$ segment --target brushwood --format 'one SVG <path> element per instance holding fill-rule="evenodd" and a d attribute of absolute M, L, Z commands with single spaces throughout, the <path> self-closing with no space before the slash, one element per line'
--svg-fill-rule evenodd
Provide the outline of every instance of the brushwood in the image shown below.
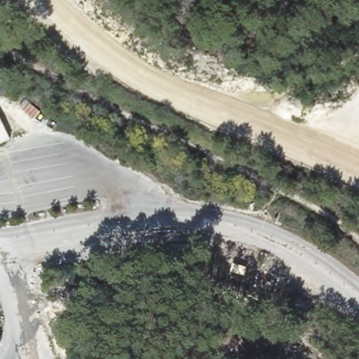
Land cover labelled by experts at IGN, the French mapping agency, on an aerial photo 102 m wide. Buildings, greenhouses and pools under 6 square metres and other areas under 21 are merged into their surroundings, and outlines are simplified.
<path fill-rule="evenodd" d="M 262 177 L 257 170 L 244 165 L 224 167 L 220 164 L 227 147 L 226 143 L 223 143 L 223 137 L 230 137 L 231 133 L 223 132 L 220 128 L 206 128 L 196 119 L 189 118 L 188 115 L 172 108 L 170 102 L 153 100 L 115 80 L 112 74 L 105 73 L 104 70 L 90 73 L 84 81 L 79 77 L 73 77 L 72 72 L 52 77 L 49 74 L 50 70 L 45 70 L 36 70 L 35 74 L 34 84 L 28 88 L 27 95 L 28 104 L 38 109 L 45 121 L 56 123 L 56 132 L 76 136 L 105 157 L 119 160 L 123 167 L 133 168 L 153 177 L 160 184 L 170 185 L 174 192 L 184 198 L 203 201 L 203 206 L 215 205 L 219 209 L 222 209 L 223 205 L 248 209 L 248 206 L 254 203 L 254 210 L 259 210 L 271 198 L 272 191 L 271 185 L 261 185 Z"/>
<path fill-rule="evenodd" d="M 306 226 L 310 230 L 309 241 L 320 250 L 323 245 L 337 247 L 339 241 L 345 240 L 348 241 L 349 248 L 358 251 L 359 254 L 359 234 L 353 231 L 353 224 L 348 220 L 338 220 L 334 210 L 328 206 L 320 210 L 314 212 L 302 203 L 285 196 L 276 198 L 272 205 L 292 206 L 299 215 L 306 216 Z"/>
<path fill-rule="evenodd" d="M 94 335 L 83 323 L 76 324 L 67 318 L 66 332 L 63 334 L 67 344 L 65 349 L 67 359 L 86 359 L 90 342 L 84 341 Z"/>
<path fill-rule="evenodd" d="M 24 223 L 25 212 L 17 209 L 3 210 L 0 213 L 0 227 Z"/>

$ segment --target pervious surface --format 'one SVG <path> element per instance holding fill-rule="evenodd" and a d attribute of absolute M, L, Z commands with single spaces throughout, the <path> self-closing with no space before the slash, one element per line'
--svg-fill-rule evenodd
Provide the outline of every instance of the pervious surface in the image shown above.
<path fill-rule="evenodd" d="M 275 188 L 272 191 L 271 198 L 259 210 L 268 212 L 272 205 L 276 198 L 285 196 L 302 203 L 314 212 L 320 210 L 316 203 L 296 195 L 292 189 Z"/>
<path fill-rule="evenodd" d="M 196 119 L 206 128 L 220 128 L 223 132 L 231 133 L 237 137 L 248 137 L 252 144 L 271 151 L 280 146 L 286 160 L 300 167 L 313 168 L 314 165 L 323 165 L 335 168 L 344 181 L 359 189 L 359 72 L 353 72 L 349 84 L 348 94 L 351 95 L 351 100 L 316 104 L 314 107 L 303 107 L 302 102 L 294 98 L 290 88 L 285 88 L 282 93 L 276 93 L 273 88 L 255 83 L 251 77 L 241 77 L 233 69 L 217 65 L 216 57 L 198 53 L 194 56 L 194 65 L 181 65 L 178 72 L 168 70 L 160 55 L 150 53 L 149 49 L 142 46 L 142 39 L 136 36 L 135 27 L 121 25 L 112 17 L 95 20 L 95 15 L 101 14 L 101 7 L 94 3 L 95 0 L 0 0 L 0 1 L 15 3 L 25 18 L 36 15 L 36 21 L 41 24 L 48 27 L 55 25 L 63 41 L 66 41 L 70 48 L 80 48 L 81 52 L 84 52 L 87 60 L 86 69 L 90 73 L 104 70 L 105 73 L 112 74 L 115 80 L 153 100 L 170 102 L 172 108 L 188 115 L 189 118 Z"/>
<path fill-rule="evenodd" d="M 233 335 L 226 345 L 229 349 L 224 352 L 227 359 L 321 359 L 323 352 L 309 341 L 314 334 L 313 328 L 307 327 L 302 339 L 287 339 L 275 344 L 264 337 L 250 341 Z"/>
<path fill-rule="evenodd" d="M 303 280 L 292 275 L 289 266 L 273 252 L 264 248 L 244 248 L 229 240 L 222 240 L 220 247 L 213 244 L 210 247 L 216 261 L 220 262 L 217 265 L 217 276 L 227 275 L 224 285 L 233 286 L 237 292 L 238 289 L 244 290 L 255 300 L 258 297 L 276 302 L 279 299 L 293 300 L 297 303 L 297 309 L 304 314 L 314 311 L 314 307 L 311 302 L 313 294 L 310 290 L 304 289 Z M 233 259 L 234 264 L 244 266 L 243 275 L 230 272 L 230 265 L 227 262 L 229 258 Z"/>
<path fill-rule="evenodd" d="M 10 49 L 0 59 L 0 67 L 18 72 L 21 76 L 35 74 L 36 70 L 45 70 L 45 66 L 36 63 L 36 57 L 29 53 L 27 43 L 24 42 L 21 42 L 21 49 Z"/>

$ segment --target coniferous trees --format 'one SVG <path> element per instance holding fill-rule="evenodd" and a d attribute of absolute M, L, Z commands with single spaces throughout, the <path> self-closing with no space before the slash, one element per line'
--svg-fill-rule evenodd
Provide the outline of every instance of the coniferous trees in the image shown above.
<path fill-rule="evenodd" d="M 21 42 L 24 42 L 27 43 L 29 53 L 36 57 L 36 63 L 45 66 L 45 70 L 50 70 L 49 74 L 52 77 L 72 72 L 73 77 L 79 77 L 84 81 L 90 73 L 86 69 L 87 60 L 84 52 L 81 52 L 80 48 L 70 48 L 66 41 L 63 41 L 55 25 L 48 27 L 41 24 L 36 21 L 36 15 L 25 18 L 15 3 L 0 1 L 0 59 L 10 49 L 21 49 Z"/>
<path fill-rule="evenodd" d="M 314 307 L 314 311 L 304 314 L 297 309 L 297 303 L 293 300 L 279 299 L 276 302 L 258 297 L 255 300 L 244 290 L 238 289 L 237 292 L 233 286 L 224 285 L 227 275 L 217 276 L 217 265 L 220 262 L 216 261 L 210 247 L 205 240 L 181 241 L 178 244 L 139 241 L 132 245 L 114 245 L 111 251 L 101 257 L 88 255 L 87 259 L 79 258 L 73 266 L 63 266 L 59 271 L 42 268 L 41 286 L 43 292 L 48 294 L 48 300 L 65 304 L 65 310 L 57 313 L 49 323 L 57 344 L 65 349 L 67 344 L 63 334 L 66 332 L 67 318 L 76 324 L 83 323 L 94 335 L 84 341 L 90 342 L 86 359 L 227 359 L 224 352 L 229 349 L 226 345 L 233 335 L 250 341 L 264 337 L 275 344 L 287 339 L 302 339 L 307 327 L 313 328 L 314 334 L 309 341 L 323 352 L 321 359 L 359 359 L 359 320 L 351 313 L 339 313 L 330 304 L 321 303 L 321 306 Z"/>
<path fill-rule="evenodd" d="M 17 101 L 20 95 L 27 95 L 28 88 L 34 84 L 35 74 L 21 76 L 18 72 L 0 67 L 0 97 Z"/>
<path fill-rule="evenodd" d="M 349 84 L 353 72 L 359 72 L 359 0 L 111 0 L 115 3 L 112 8 L 116 10 L 116 14 L 129 11 L 129 17 L 133 14 L 139 15 L 139 21 L 144 24 L 144 31 L 163 36 L 170 48 L 192 48 L 192 39 L 196 38 L 199 48 L 219 50 L 222 55 L 229 55 L 231 62 L 236 63 L 233 69 L 241 77 L 251 77 L 255 83 L 273 88 L 276 93 L 282 93 L 285 88 L 290 88 L 294 98 L 302 102 L 303 107 L 314 107 L 316 104 L 320 94 L 330 93 L 344 83 Z"/>
<path fill-rule="evenodd" d="M 280 146 L 271 151 L 252 144 L 248 137 L 237 137 L 231 133 L 230 137 L 223 137 L 223 143 L 226 143 L 227 147 L 220 164 L 224 167 L 244 165 L 257 170 L 262 177 L 261 185 L 271 185 L 272 191 L 275 188 L 292 189 L 296 195 L 316 203 L 320 210 L 328 206 L 334 210 L 338 220 L 348 220 L 353 224 L 353 231 L 359 234 L 359 189 L 344 181 L 335 168 L 323 165 L 314 165 L 313 168 L 300 167 L 286 160 Z"/>

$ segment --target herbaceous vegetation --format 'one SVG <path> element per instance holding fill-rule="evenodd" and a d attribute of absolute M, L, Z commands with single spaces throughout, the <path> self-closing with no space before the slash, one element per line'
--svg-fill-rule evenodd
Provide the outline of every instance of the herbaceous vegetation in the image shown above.
<path fill-rule="evenodd" d="M 306 216 L 299 215 L 292 206 L 272 205 L 268 212 L 282 223 L 283 230 L 309 241 L 310 230 L 306 226 Z"/>
<path fill-rule="evenodd" d="M 332 255 L 359 276 L 359 254 L 358 251 L 349 248 L 348 241 L 345 240 L 339 241 L 337 247 L 323 245 L 320 250 Z"/>
<path fill-rule="evenodd" d="M 330 93 L 320 94 L 316 104 L 351 100 L 351 95 L 348 94 L 349 84 L 344 83 Z"/>
<path fill-rule="evenodd" d="M 139 21 L 139 15 L 133 14 L 129 17 L 129 11 L 116 14 L 116 10 L 112 8 L 115 3 L 111 0 L 95 0 L 94 3 L 101 7 L 101 14 L 95 15 L 95 20 L 112 17 L 121 25 L 135 27 L 136 36 L 142 39 L 142 46 L 149 49 L 150 53 L 160 55 L 168 70 L 178 72 L 181 65 L 194 65 L 194 56 L 198 53 L 216 57 L 217 65 L 233 69 L 236 63 L 231 62 L 229 55 L 222 55 L 219 50 L 199 48 L 196 38 L 192 39 L 192 48 L 170 48 L 163 36 L 144 31 L 144 24 Z"/>

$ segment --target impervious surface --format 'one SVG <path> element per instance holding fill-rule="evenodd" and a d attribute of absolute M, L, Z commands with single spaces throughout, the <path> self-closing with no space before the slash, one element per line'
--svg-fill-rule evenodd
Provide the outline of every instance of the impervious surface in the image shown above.
<path fill-rule="evenodd" d="M 101 257 L 111 251 L 114 245 L 132 245 L 139 241 L 178 244 L 181 241 L 205 240 L 210 247 L 213 244 L 220 247 L 222 240 L 229 240 L 244 248 L 264 248 L 273 252 L 289 266 L 292 275 L 303 280 L 304 289 L 310 290 L 313 294 L 311 302 L 314 307 L 321 306 L 321 303 L 330 304 L 339 313 L 351 313 L 359 320 L 359 276 L 332 255 L 320 250 L 309 241 L 283 230 L 282 223 L 268 212 L 259 210 L 254 210 L 254 203 L 248 206 L 248 209 L 223 205 L 222 209 L 219 209 L 215 205 L 203 206 L 203 201 L 184 198 L 174 192 L 170 185 L 160 184 L 153 177 L 133 168 L 123 167 L 119 160 L 105 157 L 76 136 L 56 132 L 56 123 L 45 121 L 38 109 L 28 104 L 27 95 L 20 95 L 17 101 L 0 97 L 0 121 L 8 135 L 7 139 L 0 143 L 0 213 L 3 210 L 17 209 L 25 212 L 24 223 L 0 227 L 0 359 L 67 359 L 65 349 L 57 344 L 49 323 L 57 313 L 65 310 L 65 304 L 48 300 L 48 294 L 43 292 L 41 286 L 42 268 L 59 271 L 63 266 L 73 266 L 79 258 L 87 259 L 88 255 Z"/>

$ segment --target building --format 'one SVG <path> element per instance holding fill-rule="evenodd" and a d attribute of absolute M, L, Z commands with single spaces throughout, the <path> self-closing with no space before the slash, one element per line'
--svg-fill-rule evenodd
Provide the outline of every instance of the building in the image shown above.
<path fill-rule="evenodd" d="M 244 266 L 234 264 L 233 259 L 229 258 L 227 262 L 230 265 L 230 272 L 243 275 Z"/>
<path fill-rule="evenodd" d="M 0 143 L 7 139 L 8 135 L 0 121 Z"/>

